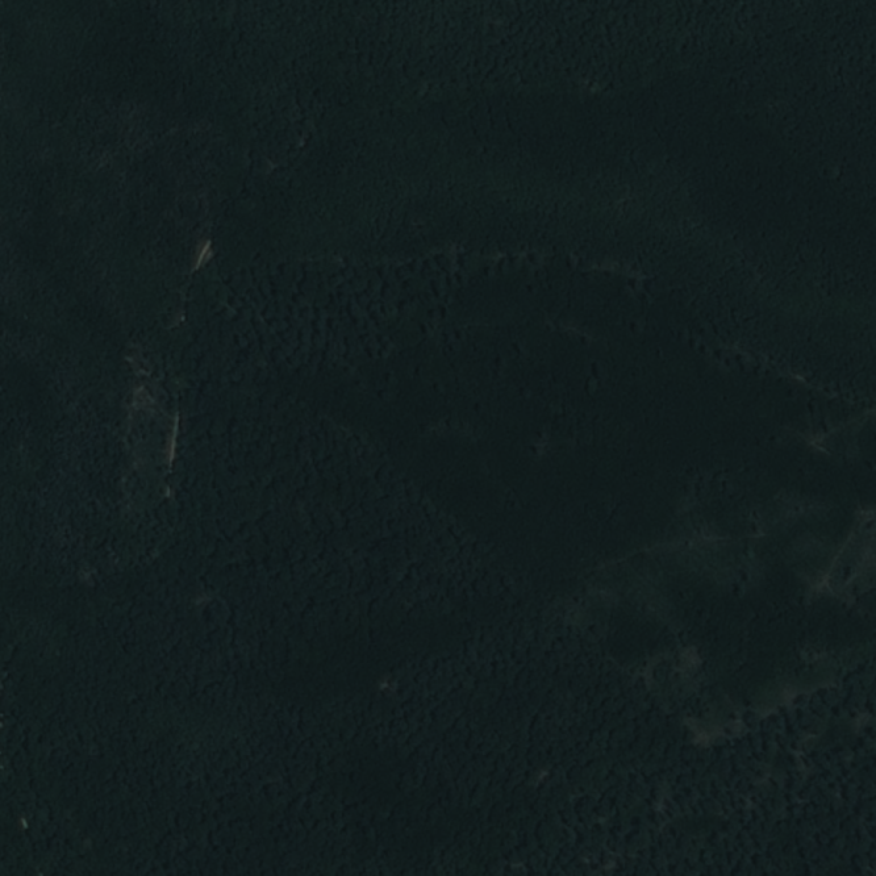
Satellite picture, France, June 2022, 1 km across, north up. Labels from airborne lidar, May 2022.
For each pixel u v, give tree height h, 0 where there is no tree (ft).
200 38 43
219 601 37
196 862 73
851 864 18
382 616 55
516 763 75
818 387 55
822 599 20
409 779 76
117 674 91
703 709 33
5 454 63
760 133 62
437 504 26
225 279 29
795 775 79
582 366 27
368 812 86
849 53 53
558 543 35
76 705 85
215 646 92
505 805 44
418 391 36
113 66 41
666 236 39
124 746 69
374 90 55
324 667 53
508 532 37
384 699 62
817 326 45
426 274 87
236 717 37
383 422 38
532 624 59
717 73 68
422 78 76
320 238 33
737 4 50
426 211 55
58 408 55
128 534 41
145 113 48
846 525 20
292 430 97
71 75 41
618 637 32
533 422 25
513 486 19
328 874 79
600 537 43
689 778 89
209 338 89
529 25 63
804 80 65
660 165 44
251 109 63
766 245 55
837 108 54
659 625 21
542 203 33
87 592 61
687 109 58
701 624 34
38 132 34
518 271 24
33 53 33
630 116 56
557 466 19
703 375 23
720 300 51
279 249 37
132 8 52
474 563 82
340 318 23
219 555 79
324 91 70
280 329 73
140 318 37
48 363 55
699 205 41
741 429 27
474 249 66
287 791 74
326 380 46
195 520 76
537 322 34
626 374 31
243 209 73
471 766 87
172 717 37
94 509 62
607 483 28
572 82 68
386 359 24
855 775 85
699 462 31
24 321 21
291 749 72
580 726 50
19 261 49
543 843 102
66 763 72
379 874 47
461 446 30
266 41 56
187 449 63
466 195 37
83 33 49
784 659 20
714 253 37
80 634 68
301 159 76
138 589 69
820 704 88
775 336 42
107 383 32
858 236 61
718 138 60
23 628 66
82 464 60
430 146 29
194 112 57
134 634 84
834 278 55
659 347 25
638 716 48
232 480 97
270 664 82
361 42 65
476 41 58
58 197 55
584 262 60
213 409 104
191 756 48
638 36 45
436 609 67
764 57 70
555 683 45
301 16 55
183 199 73
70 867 82
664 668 27
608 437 36
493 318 36
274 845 73
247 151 56
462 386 33
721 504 29
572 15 66
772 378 35
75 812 52
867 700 79
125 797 79
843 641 37
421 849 41
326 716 55
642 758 94
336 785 63
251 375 87
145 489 60
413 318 31
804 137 58
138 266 32
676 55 73
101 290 41
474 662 73
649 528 34
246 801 91
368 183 34
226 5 58
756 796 77
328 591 99
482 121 60
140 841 81
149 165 55
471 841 41
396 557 94
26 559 63
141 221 63
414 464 39
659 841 45
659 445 27
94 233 49
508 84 87
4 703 71
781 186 68
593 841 85
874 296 42
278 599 102
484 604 52
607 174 43
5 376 52
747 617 26
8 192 40
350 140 45
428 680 83
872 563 0
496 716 67
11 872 65
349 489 75
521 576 42
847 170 52
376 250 49
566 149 59
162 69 51
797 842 77
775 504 18
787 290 40
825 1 49
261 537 60
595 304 46
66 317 48
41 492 70
